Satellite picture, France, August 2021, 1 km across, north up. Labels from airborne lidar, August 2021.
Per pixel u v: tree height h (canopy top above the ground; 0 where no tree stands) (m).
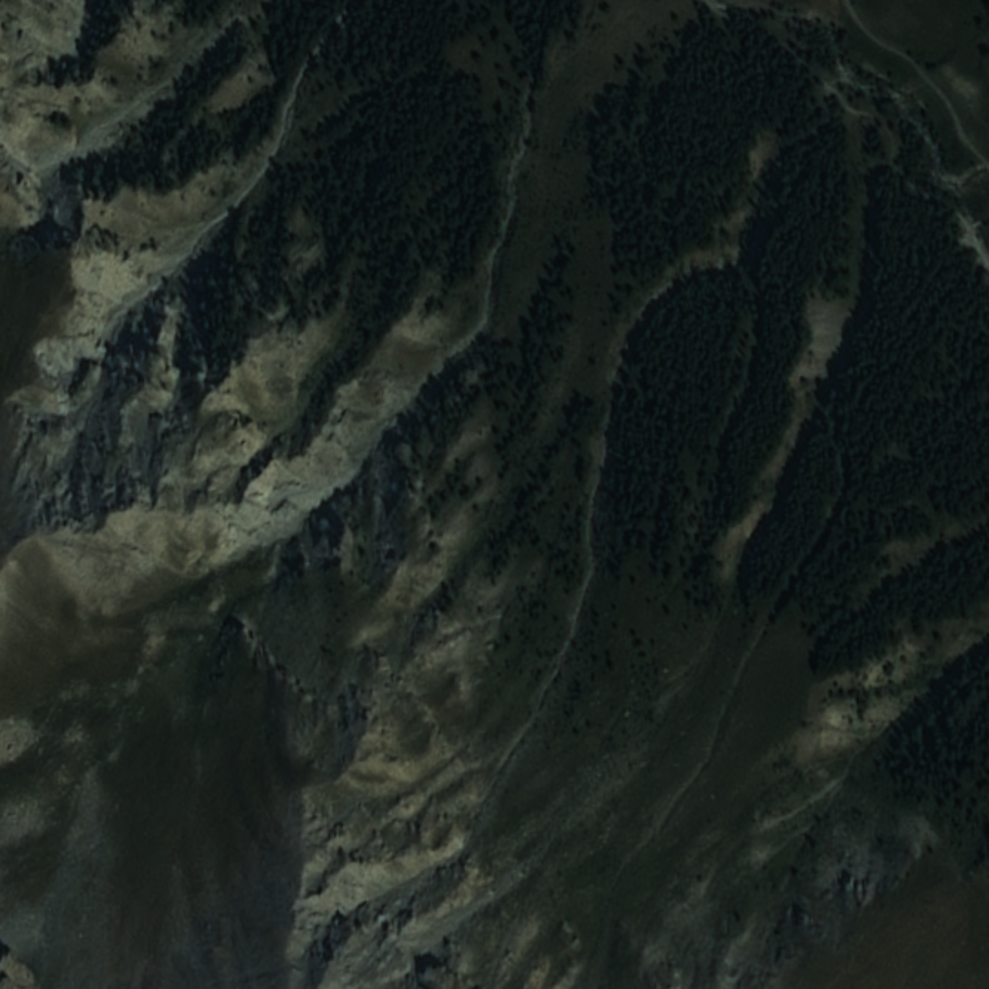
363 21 17
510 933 0
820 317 0
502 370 14
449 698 0
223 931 0
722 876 0
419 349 0
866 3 0
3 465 0
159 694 0
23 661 0
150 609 0
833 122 10
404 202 21
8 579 0
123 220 0
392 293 14
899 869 0
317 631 0
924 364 19
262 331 0
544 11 15
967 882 0
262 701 0
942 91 0
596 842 0
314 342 0
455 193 13
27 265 0
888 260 18
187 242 0
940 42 0
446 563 0
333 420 0
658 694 0
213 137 17
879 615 10
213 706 0
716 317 15
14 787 0
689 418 19
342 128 20
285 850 0
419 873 0
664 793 0
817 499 16
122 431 0
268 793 0
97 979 0
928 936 0
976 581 21
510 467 9
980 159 0
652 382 20
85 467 0
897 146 0
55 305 0
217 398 0
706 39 17
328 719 0
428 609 0
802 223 18
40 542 0
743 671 0
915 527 16
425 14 18
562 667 0
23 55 0
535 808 0
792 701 0
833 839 0
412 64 17
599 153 13
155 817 0
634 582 9
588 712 0
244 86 0
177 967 0
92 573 0
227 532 0
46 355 0
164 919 0
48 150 0
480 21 12
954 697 8
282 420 0
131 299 0
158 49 0
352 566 0
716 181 18
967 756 18
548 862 0
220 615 0
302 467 0
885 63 0
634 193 11
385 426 0
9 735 0
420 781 0
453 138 6
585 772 0
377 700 0
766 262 20
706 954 0
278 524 0
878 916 0
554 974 0
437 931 0
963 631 0
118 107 0
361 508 0
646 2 0
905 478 20
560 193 0
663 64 0
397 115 24
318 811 0
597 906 0
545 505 9
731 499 14
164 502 0
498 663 0
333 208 16
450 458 0
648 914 0
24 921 0
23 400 0
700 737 0
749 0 0
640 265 6
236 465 0
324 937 0
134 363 0
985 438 23
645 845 0
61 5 0
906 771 14
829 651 20
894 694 8
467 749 0
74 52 0
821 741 0
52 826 0
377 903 0
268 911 0
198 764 0
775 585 16
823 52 10
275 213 14
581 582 7
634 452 14
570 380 0
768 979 0
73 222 0
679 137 18
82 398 0
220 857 0
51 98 0
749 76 19
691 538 13
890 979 0
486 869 0
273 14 24
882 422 21
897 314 18
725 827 0
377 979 0
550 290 16
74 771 0
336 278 10
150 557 0
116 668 0
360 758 0
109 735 0
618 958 0
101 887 0
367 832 0
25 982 0
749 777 0
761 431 17
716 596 10
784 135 18
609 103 11
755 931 0
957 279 21
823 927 0
